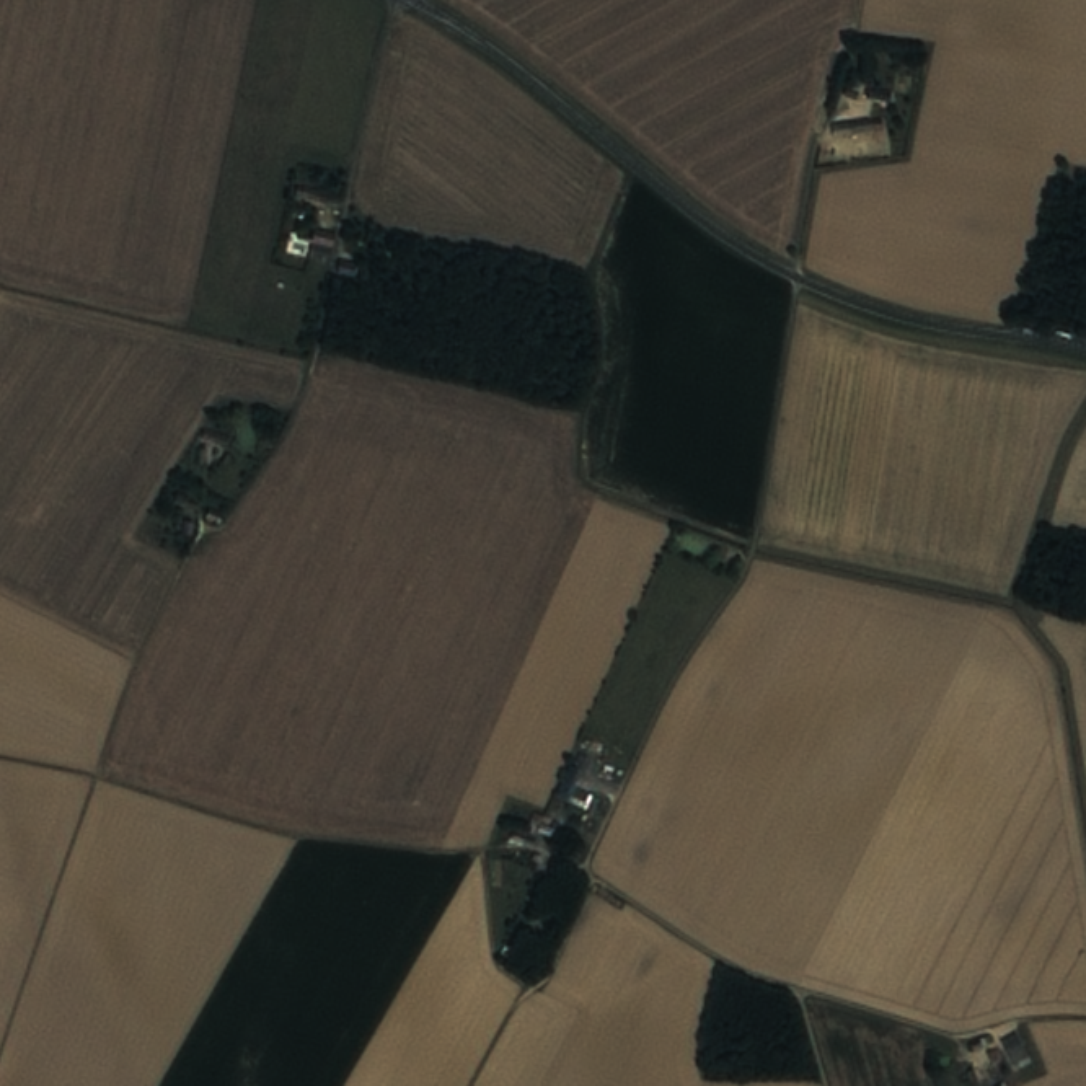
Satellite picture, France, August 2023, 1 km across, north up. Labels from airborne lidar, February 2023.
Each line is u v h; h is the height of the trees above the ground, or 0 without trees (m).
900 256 0
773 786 0
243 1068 0
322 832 0
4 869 0
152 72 0
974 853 0
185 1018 0
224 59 0
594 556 0
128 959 0
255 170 0
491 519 0
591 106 0
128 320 0
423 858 0
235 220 0
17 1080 0
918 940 0
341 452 0
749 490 0
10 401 0
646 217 0
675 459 0
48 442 0
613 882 0
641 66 0
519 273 20
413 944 0
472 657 0
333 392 0
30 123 0
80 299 0
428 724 0
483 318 22
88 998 0
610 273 0
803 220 0
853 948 0
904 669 0
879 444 0
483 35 0
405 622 0
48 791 0
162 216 0
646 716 0
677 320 0
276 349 0
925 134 0
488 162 0
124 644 0
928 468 0
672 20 0
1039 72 0
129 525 0
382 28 0
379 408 0
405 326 20
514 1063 0
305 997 0
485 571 0
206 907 0
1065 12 0
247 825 0
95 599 0
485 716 0
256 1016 0
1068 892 0
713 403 0
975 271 0
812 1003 0
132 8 0
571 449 0
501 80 0
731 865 0
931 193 0
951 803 0
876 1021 0
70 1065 0
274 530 0
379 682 0
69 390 0
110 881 0
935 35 0
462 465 0
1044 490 0
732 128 0
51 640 0
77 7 0
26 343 0
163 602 0
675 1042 0
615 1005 0
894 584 0
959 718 0
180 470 7
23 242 0
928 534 0
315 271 0
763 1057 12
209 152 0
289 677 0
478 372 17
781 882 0
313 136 0
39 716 0
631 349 0
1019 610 0
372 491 0
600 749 0
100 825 0
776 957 0
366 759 0
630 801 0
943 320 0
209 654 0
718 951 0
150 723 0
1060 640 0
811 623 0
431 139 0
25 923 0
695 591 0
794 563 0
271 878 0
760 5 0
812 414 0
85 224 0
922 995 0
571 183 0
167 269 0
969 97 0
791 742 0
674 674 0
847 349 0
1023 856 0
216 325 0
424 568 0
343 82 0
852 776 0
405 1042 0
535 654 0
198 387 0
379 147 0
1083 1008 0
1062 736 0
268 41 0
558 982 0
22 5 0
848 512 0
